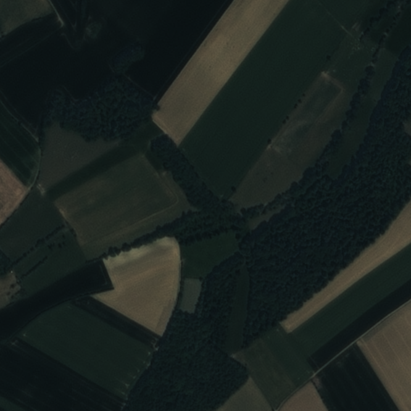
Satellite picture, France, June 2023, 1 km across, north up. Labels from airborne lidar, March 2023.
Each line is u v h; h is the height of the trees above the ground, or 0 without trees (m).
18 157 0
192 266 0
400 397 0
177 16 0
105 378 0
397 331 0
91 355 0
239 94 0
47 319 0
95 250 0
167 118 0
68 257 0
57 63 0
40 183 0
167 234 9
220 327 7
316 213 25
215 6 0
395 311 0
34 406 0
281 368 0
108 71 0
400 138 21
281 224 23
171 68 0
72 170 0
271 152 0
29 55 0
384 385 0
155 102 21
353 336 0
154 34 0
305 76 0
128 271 0
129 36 0
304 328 0
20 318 0
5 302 0
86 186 0
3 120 0
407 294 0
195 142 0
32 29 0
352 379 0
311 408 0
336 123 0
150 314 0
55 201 0
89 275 0
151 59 0
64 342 0
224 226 15
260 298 20
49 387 0
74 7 0
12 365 0
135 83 0
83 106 20
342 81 0
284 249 23
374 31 0
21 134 0
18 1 0
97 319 0
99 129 17
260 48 0
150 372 15
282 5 0
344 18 0
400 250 0
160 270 0
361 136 0
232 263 17
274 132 0
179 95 0
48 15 0
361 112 0
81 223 0
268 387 0
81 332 0
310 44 0
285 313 17
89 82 0
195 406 20
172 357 22
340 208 26
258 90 0
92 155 0
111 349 0
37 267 8
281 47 0
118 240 0
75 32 0
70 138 0
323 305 0
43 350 0
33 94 0
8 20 0
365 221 21
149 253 0
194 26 0
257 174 0
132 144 0
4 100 0
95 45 0
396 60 0
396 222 0
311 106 0
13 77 0
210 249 0
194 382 20
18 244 0
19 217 0
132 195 0
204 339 19
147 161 0
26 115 0
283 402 0
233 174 0
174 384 23
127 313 0
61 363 0
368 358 0
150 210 0
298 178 0
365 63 0
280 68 0
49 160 0
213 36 0
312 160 0
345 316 0
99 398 0
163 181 0
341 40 0
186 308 0
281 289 23
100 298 0
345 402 0
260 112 0
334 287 0
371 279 0
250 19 0
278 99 0
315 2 0
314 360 0
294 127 0
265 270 26
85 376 0
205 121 0
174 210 0
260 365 0
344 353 0
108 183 0
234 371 18
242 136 0
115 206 0
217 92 0
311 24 0
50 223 0
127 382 0
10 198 0
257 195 0
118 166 0
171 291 0
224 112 0
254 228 0
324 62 0
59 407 0
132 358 0
